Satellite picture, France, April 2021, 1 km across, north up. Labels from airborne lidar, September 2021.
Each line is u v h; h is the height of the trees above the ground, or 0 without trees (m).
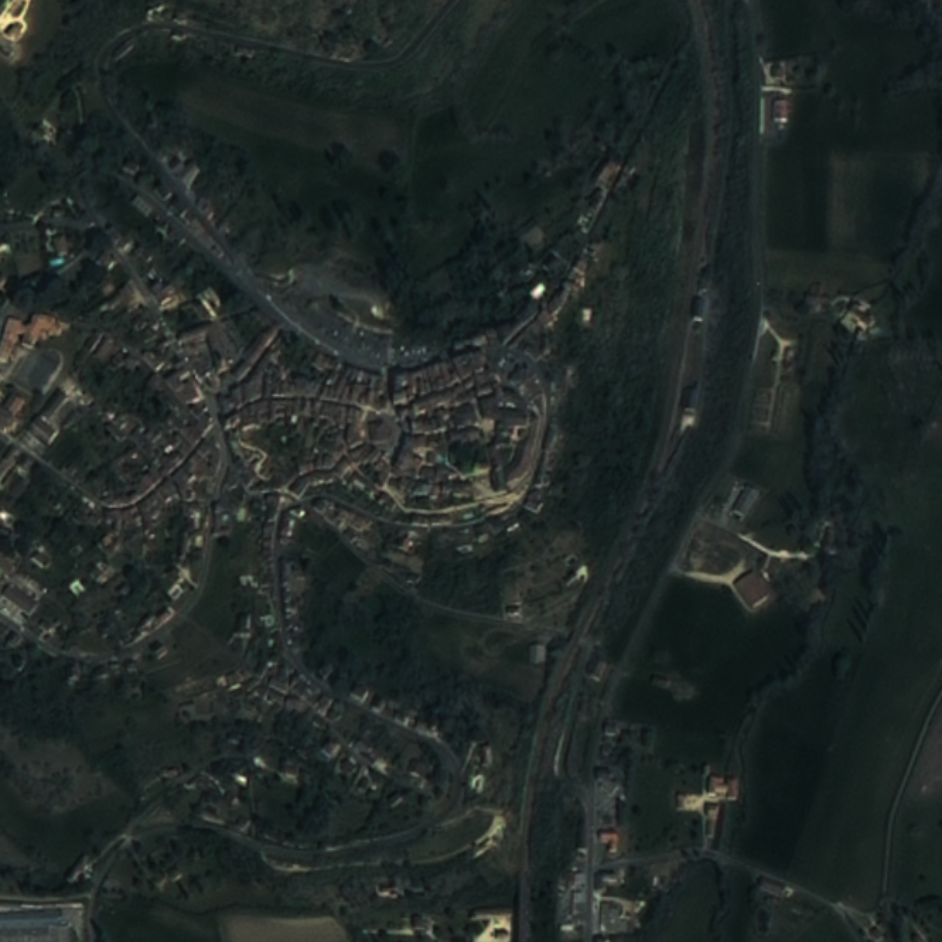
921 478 0
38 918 0
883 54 0
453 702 13
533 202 0
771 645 0
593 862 0
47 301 17
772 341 0
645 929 15
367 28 15
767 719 0
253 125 0
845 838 0
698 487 14
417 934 6
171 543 7
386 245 26
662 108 6
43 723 14
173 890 0
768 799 0
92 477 10
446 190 11
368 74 8
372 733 0
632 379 13
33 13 0
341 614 16
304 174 0
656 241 7
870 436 0
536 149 0
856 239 0
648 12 0
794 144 0
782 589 7
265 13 15
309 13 13
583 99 0
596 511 6
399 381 0
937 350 19
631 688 0
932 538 0
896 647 0
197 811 9
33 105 14
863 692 0
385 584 0
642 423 20
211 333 0
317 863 8
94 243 19
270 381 0
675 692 0
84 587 8
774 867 0
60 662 7
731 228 14
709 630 0
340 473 0
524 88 0
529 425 0
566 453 6
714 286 9
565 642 9
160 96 0
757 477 0
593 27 0
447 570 9
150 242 6
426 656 0
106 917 0
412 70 7
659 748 0
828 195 0
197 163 11
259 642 6
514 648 0
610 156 11
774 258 0
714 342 14
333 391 0
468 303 9
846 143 0
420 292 9
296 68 6
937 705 0
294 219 6
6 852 0
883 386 0
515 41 0
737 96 11
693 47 9
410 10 15
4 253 6
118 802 0
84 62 25
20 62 0
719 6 8
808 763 0
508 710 11
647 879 0
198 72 0
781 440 0
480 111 0
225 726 9
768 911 0
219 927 0
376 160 0
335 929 0
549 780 10
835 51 9
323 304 0
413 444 0
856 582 0
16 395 8
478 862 11
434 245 0
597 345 18
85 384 9
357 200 0
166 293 0
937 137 0
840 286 0
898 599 0
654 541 17
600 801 0
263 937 0
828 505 32
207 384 6
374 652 0
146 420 8
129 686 13
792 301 12
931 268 13
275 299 0
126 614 13
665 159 7
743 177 8
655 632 0
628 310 6
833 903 0
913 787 0
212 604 0
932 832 0
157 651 0
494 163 0
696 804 0
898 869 0
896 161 0
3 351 0
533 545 9
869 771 0
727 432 15
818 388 0
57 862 0
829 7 0
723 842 6
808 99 0
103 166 17
